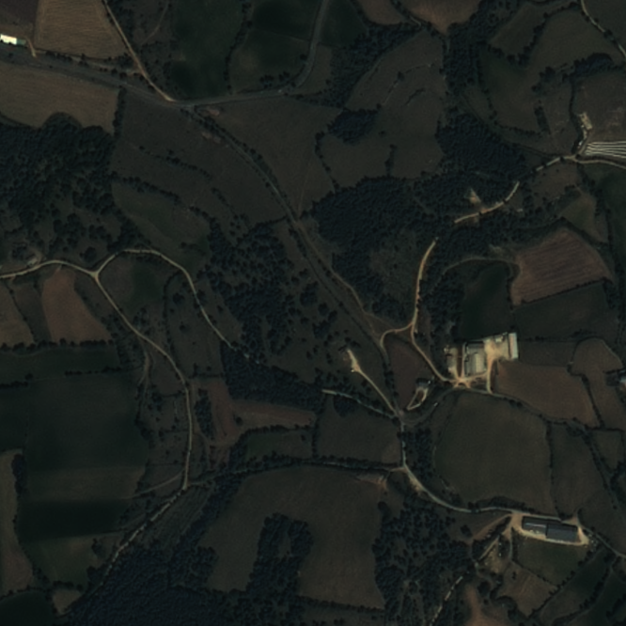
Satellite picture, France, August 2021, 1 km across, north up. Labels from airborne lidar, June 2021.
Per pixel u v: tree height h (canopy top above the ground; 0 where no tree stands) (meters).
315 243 0
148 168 0
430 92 0
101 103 0
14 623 0
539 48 0
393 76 0
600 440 0
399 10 9
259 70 0
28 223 10
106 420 0
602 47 0
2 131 12
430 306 9
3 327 0
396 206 14
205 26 0
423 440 18
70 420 0
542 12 0
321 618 0
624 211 0
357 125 17
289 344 11
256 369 15
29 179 11
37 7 0
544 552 0
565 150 0
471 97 0
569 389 0
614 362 0
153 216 0
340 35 0
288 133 0
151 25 0
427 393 0
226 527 0
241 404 0
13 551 0
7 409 0
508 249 0
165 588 12
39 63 0
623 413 0
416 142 0
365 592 0
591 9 0
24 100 0
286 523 12
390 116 0
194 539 11
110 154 9
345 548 0
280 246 8
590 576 0
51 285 0
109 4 8
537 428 0
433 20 0
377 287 12
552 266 0
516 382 0
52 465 0
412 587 8
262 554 10
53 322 0
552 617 0
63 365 0
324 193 0
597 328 0
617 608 12
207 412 15
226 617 11
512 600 7
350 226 14
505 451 0
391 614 7
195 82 0
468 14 0
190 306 0
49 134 12
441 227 11
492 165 16
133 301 0
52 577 0
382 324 0
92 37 0
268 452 0
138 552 9
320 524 0
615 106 0
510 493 0
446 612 14
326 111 0
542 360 0
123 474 0
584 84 0
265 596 9
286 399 16
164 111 0
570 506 0
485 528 0
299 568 6
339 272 9
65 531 0
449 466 0
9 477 0
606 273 0
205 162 0
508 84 0
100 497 0
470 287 0
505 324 0
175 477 0
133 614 13
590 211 0
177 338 0
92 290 0
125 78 10
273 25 0
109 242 11
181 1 0
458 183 12
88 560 0
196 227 0
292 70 0
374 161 0
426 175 8
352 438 0
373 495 0
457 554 14
